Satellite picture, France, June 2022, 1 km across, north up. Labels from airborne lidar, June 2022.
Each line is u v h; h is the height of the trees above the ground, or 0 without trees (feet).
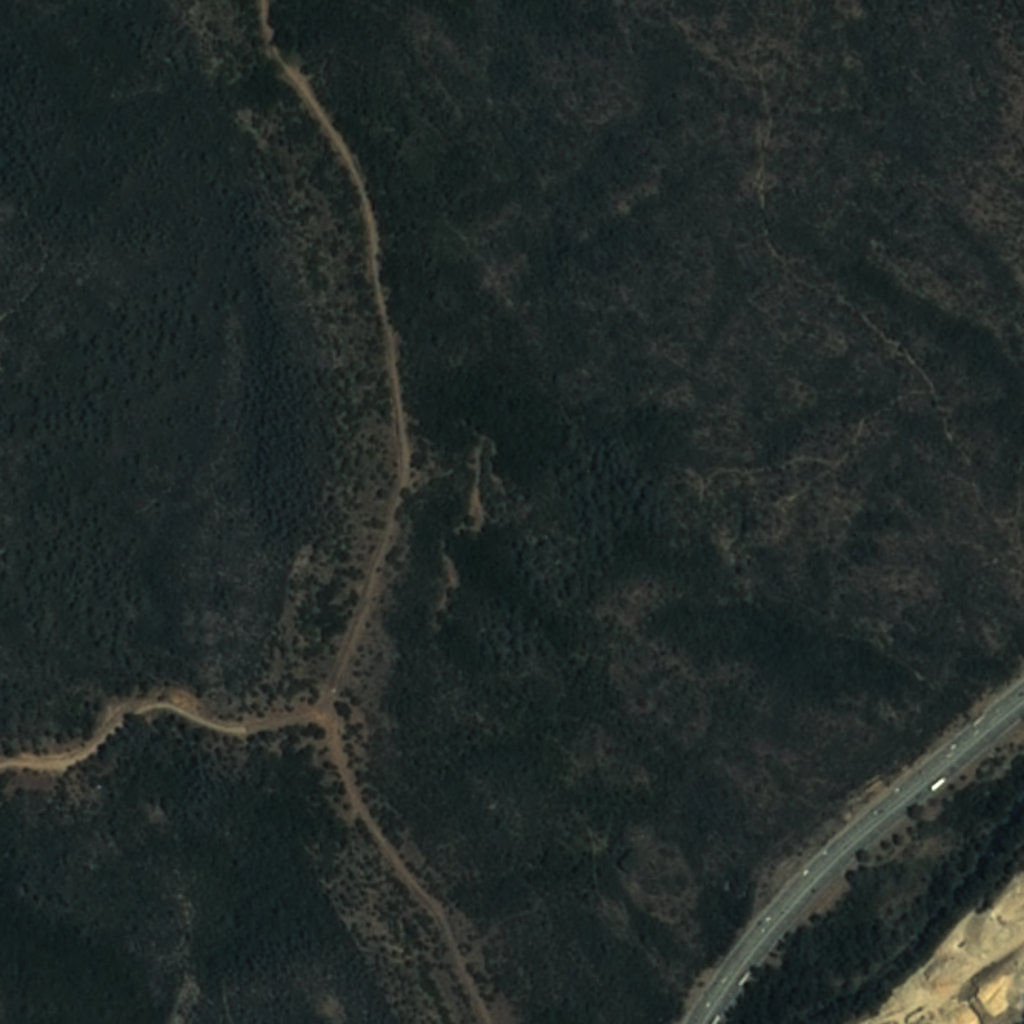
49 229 26
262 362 25
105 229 27
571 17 38
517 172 19
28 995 29
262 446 33
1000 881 22
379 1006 23
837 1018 73
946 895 70
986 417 26
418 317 25
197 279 40
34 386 31
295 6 47
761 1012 78
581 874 46
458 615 26
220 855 33
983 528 0
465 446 34
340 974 23
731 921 27
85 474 19
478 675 27
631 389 32
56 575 39
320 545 41
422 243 25
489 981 18
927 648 21
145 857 21
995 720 0
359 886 28
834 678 20
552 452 31
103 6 19
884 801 0
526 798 18
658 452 27
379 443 22
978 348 31
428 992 21
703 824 24
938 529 0
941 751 0
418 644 24
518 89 18
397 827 18
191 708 0
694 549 22
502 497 18
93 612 53
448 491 20
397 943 19
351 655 0
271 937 21
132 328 29
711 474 0
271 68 37
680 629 23
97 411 51
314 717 0
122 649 44
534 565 51
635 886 0
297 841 40
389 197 31
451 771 30
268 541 26
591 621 23
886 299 23
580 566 50
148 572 18
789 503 0
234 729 0
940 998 0
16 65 18
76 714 24
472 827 19
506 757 22
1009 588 0
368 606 0
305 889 19
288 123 23
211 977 17
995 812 85
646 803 37
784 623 24
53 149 27
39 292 34
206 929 24
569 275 23
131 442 19
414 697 33
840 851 0
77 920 22
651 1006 21
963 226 17
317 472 27
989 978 0
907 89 25
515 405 53
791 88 19
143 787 21
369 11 40
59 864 31
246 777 23
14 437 35
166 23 33
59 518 39
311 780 31
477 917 18
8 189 43
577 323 22
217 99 19
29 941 55
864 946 69
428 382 27
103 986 25
